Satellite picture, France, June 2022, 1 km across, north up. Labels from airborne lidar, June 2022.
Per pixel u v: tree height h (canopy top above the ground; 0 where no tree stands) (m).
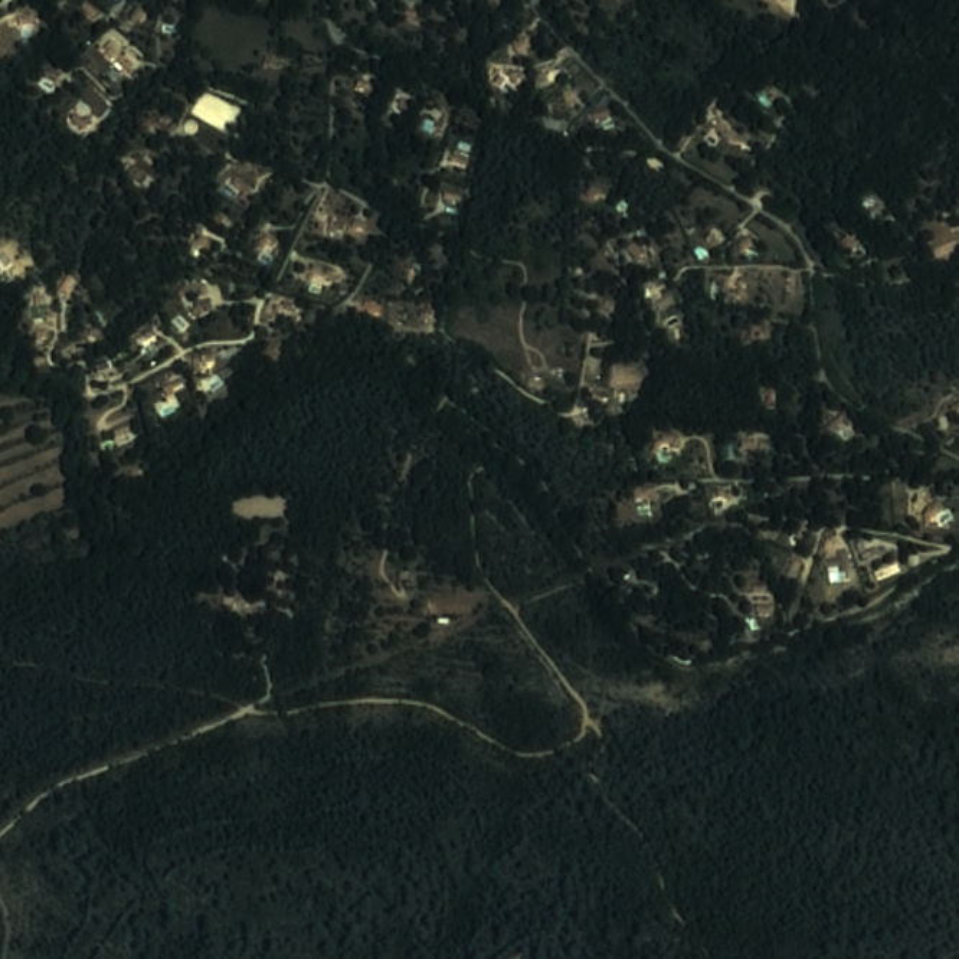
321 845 10
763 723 17
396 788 17
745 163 12
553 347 0
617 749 15
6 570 16
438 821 18
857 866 18
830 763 16
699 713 7
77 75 7
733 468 13
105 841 15
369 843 10
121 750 14
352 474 11
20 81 14
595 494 9
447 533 9
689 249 8
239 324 10
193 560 14
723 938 8
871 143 14
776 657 10
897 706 7
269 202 12
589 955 20
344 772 17
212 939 23
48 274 6
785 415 12
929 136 12
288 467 18
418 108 17
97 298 12
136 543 16
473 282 13
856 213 16
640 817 15
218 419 18
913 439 12
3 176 15
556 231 13
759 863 13
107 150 13
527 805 16
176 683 7
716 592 11
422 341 9
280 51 8
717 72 15
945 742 10
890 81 13
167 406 0
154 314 9
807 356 13
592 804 9
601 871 16
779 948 6
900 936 21
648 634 12
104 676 6
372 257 11
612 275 9
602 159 13
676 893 10
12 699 15
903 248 14
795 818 14
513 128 15
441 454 9
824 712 10
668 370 14
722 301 10
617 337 12
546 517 15
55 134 21
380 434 22
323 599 7
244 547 14
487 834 15
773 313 6
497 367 8
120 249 14
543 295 8
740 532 14
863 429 15
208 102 0
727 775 18
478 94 9
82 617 12
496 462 13
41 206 14
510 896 15
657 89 10
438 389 12
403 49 7
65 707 12
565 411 11
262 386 18
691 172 11
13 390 14
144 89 12
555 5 13
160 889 18
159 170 14
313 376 17
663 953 21
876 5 15
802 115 16
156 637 15
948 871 25
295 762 15
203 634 17
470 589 9
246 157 17
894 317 18
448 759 16
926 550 8
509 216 17
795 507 12
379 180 11
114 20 10
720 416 21
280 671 6
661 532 7
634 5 8
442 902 23
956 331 13
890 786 14
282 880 19
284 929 6
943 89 15
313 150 13
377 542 12
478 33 17
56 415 16
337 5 13
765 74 15
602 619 8
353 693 7
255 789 17
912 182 14
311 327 10
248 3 16
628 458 7
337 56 14
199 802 14
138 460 12
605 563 0
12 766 16
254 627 13
